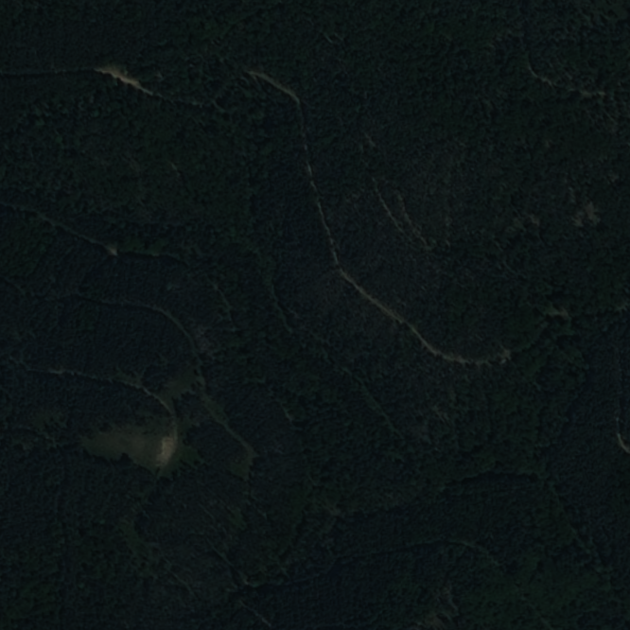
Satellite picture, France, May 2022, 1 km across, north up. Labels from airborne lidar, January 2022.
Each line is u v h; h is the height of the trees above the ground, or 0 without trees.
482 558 19
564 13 19
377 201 15
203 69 23
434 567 31
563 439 28
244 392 23
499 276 22
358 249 18
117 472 22
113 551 25
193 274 17
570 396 27
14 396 28
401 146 16
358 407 26
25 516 21
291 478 18
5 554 15
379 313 17
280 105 30
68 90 13
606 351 24
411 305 21
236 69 33
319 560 27
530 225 22
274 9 24
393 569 25
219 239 32
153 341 24
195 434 21
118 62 10
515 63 22
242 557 24
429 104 16
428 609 23
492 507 22
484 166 27
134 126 19
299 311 31
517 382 21
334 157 16
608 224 23
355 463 38
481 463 27
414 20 23
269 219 26
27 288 22
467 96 16
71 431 16
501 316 20
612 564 38
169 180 24
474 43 20
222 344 17
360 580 26
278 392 24
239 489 19
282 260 23
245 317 23
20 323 27
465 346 18
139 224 27
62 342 24
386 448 20
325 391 20
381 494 20
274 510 22
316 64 23
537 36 23
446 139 17
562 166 23
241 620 20
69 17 22
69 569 33
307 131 20
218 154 25
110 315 20
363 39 19
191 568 19
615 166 19
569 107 18
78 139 27
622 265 29
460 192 23
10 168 30
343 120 22
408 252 15
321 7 15
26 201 30
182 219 31
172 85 24
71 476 27
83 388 20
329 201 18
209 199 23
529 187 22
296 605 24
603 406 26
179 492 21
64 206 32
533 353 24
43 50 24
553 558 34
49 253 28
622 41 22
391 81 20
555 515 12
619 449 21
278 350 20
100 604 33
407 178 18
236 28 27
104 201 22
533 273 37
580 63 20
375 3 16
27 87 17
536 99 20
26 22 19
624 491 25
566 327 29
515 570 25
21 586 26
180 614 29
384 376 29
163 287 19
